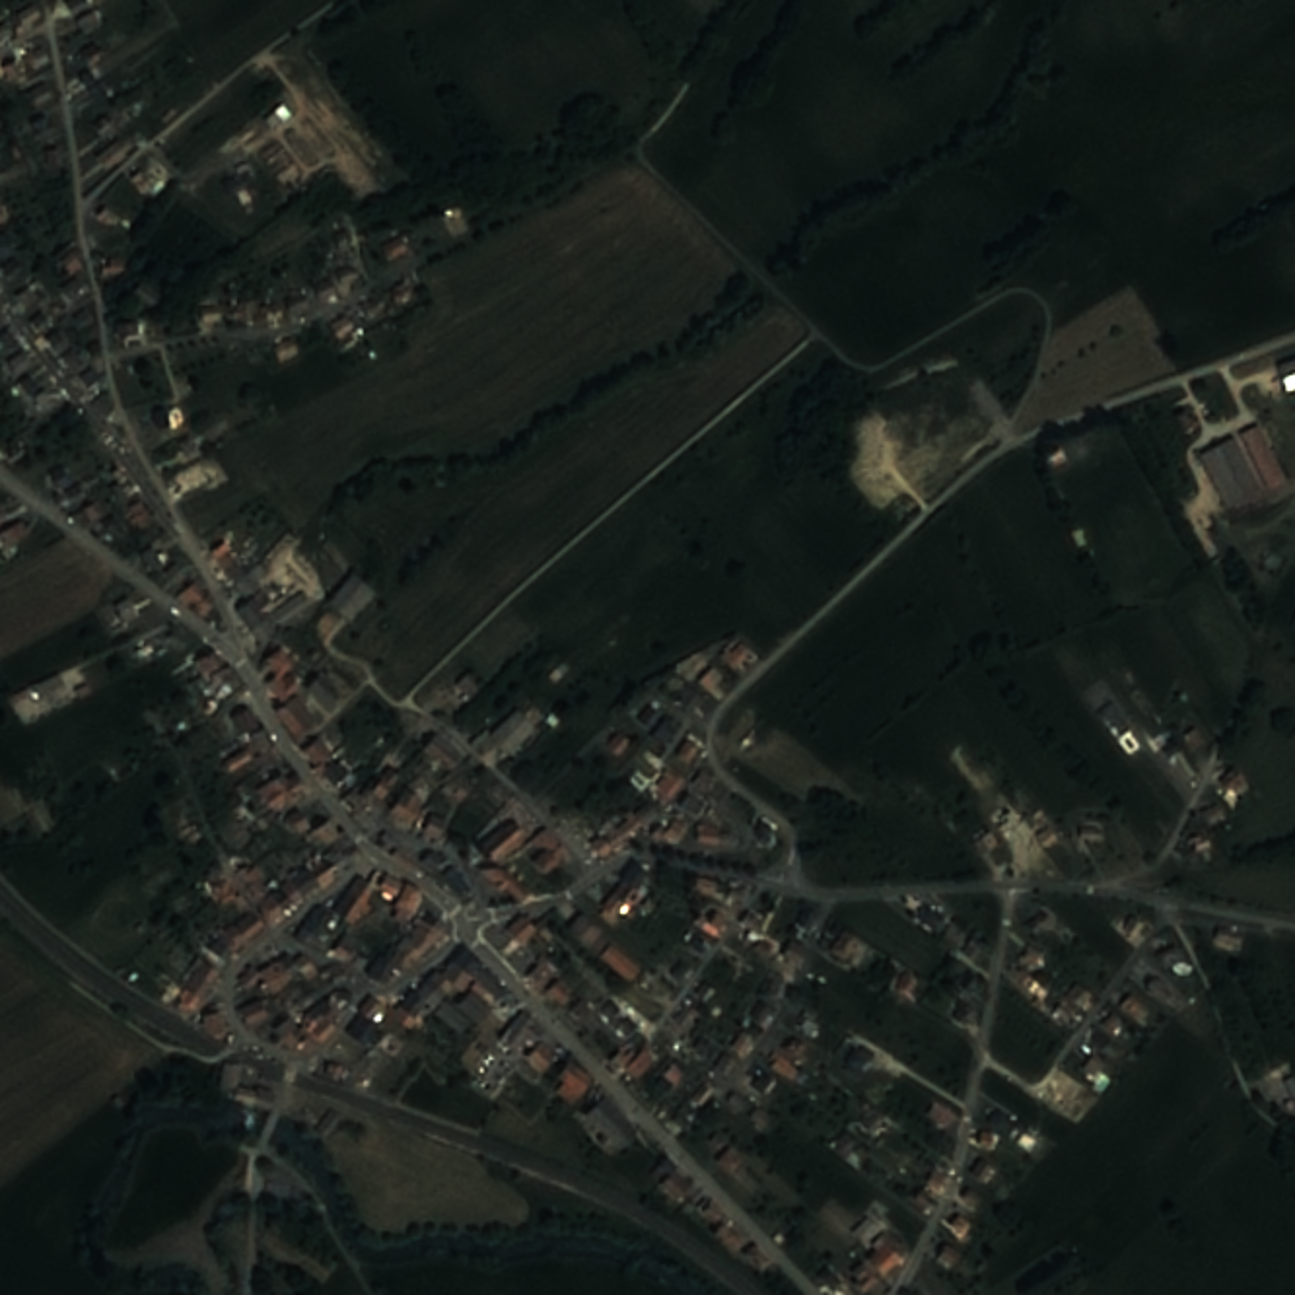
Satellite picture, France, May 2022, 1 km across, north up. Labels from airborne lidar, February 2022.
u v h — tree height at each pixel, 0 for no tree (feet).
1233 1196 0
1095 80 0
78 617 0
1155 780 0
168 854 0
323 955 0
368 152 0
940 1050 0
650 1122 0
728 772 0
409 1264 0
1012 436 0
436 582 0
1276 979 0
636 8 36
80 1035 0
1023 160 0
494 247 0
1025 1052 0
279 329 0
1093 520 0
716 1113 40
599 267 0
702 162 0
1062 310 0
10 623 0
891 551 0
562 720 44
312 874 0
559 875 26
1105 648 0
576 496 0
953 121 0
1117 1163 0
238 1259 0
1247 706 40
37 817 0
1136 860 0
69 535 0
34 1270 0
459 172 34
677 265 0
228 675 0
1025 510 0
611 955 0
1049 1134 0
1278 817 0
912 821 0
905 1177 0
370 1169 0
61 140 0
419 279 0
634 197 0
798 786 0
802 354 0
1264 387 0
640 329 0
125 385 0
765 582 0
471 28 0
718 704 0
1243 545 0
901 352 0
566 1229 24
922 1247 0
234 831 0
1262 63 0
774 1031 0
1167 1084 0
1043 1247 0
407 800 0
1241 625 0
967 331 0
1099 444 0
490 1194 0
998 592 0
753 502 0
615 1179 0
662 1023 0
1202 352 0
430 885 0
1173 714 0
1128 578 0
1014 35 0
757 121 0
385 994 0
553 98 0
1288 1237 0
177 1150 0
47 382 0
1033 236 53
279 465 0
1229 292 0
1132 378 0
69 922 0
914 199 0
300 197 23
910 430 0
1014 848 0
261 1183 0
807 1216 36
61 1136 0
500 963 0
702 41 28
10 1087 0
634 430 0
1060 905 0
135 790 0
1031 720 32
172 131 0
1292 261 0
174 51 0
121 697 0
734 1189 0
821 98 0
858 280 0
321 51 0
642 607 0
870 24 33
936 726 0
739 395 0
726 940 0
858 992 0
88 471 0
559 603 0
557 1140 0
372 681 0
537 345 0
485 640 0
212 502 0
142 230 35
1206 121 0
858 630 0
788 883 0
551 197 40
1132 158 0
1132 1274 0
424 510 0
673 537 0
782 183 0
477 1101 0
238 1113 0
